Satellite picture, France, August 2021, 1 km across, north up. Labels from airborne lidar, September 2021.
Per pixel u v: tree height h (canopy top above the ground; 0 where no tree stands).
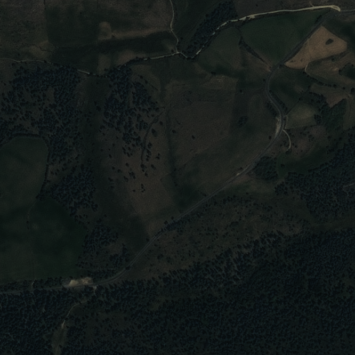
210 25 6
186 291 6
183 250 9
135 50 0
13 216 0
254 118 0
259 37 0
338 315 13
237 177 0
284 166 10
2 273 0
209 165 0
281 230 0
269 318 8
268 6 0
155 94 0
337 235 18
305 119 0
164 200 0
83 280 0
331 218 0
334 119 8
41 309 20
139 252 0
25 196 0
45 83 8
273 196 0
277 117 0
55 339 0
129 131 8
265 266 18
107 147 0
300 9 0
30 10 0
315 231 0
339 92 0
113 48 0
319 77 0
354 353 0
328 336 7
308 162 0
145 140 0
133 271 0
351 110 0
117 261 11
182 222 10
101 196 0
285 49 0
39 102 8
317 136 0
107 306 15
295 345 10
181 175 0
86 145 0
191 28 0
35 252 0
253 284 16
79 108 0
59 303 26
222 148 0
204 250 0
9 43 0
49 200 0
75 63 0
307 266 10
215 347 13
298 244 9
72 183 16
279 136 0
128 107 9
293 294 15
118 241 0
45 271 0
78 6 0
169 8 0
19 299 20
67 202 13
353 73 0
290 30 0
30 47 0
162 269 0
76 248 0
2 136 15
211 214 0
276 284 8
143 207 0
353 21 0
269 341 6
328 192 12
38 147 0
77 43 0
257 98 0
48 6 0
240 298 16
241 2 0
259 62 0
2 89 0
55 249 0
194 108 0
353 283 0
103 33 0
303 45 0
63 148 13
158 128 0
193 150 0
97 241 11
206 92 0
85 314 0
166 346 7
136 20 0
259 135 0
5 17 0
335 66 0
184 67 0
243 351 9
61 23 0
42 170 0
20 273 0
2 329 22
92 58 0
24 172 0
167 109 0
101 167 0
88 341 0
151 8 0
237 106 0
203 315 12
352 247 17
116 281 0
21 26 0
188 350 6
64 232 0
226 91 0
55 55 0
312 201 10
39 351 18
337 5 0
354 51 0
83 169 17
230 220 0
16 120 10
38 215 0
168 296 0
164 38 0
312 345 8
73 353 22
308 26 0
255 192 0
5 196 0
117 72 14
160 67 0
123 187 0
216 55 0
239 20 6
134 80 0
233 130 0
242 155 0
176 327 10
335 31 0
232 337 6
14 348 24
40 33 0
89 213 0
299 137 0
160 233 12
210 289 17
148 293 12
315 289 19
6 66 0
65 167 8
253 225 0
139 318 8
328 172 9
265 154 0
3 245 0
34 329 24
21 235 0
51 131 13
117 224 0
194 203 0
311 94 7
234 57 0
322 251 12
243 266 25
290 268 9
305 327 7
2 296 8
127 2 0
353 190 9
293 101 0
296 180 6
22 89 10
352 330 9
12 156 0
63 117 16
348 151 12
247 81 0
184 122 0
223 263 24
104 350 10
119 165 0
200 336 6
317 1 0
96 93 0
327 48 0
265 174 6
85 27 0
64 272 0
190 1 0
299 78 0
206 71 0
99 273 8
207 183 0
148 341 9
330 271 14
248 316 18
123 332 12
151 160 0
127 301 21
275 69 0
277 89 0
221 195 0
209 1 0
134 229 0
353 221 0
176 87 0
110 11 0
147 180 0
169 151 0
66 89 11
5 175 0
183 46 0
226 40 0
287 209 0
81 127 0
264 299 9
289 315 9
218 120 0
